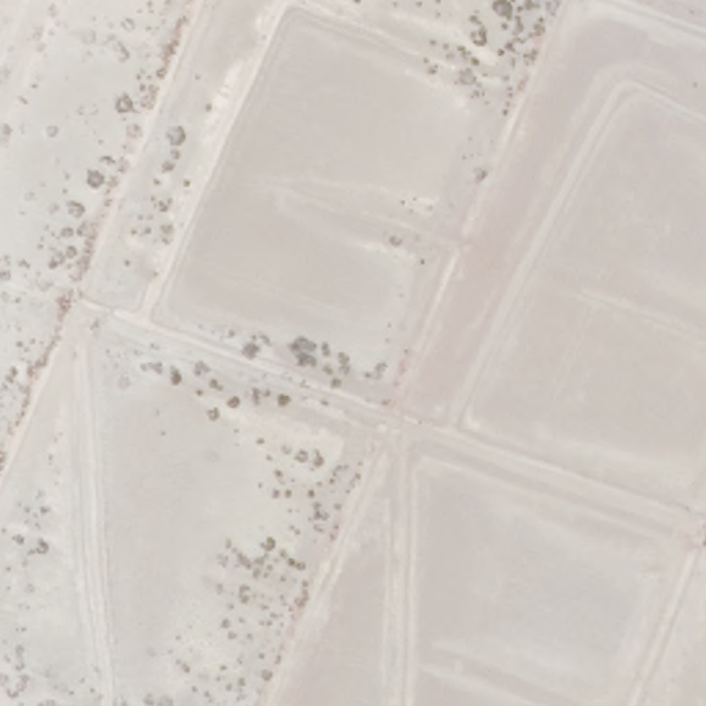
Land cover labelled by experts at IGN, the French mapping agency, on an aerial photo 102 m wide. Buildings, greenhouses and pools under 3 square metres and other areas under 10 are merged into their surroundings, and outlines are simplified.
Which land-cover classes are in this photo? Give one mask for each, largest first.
<instances>
[{"label":"pervious surface","instance_id":"1","mask_svg":"<svg viewBox=\"0 0 706 706\"><path fill-rule=\"evenodd\" d=\"M0 706H706V0H0Z\"/></svg>","mask_w":706,"mask_h":706}]
</instances>
